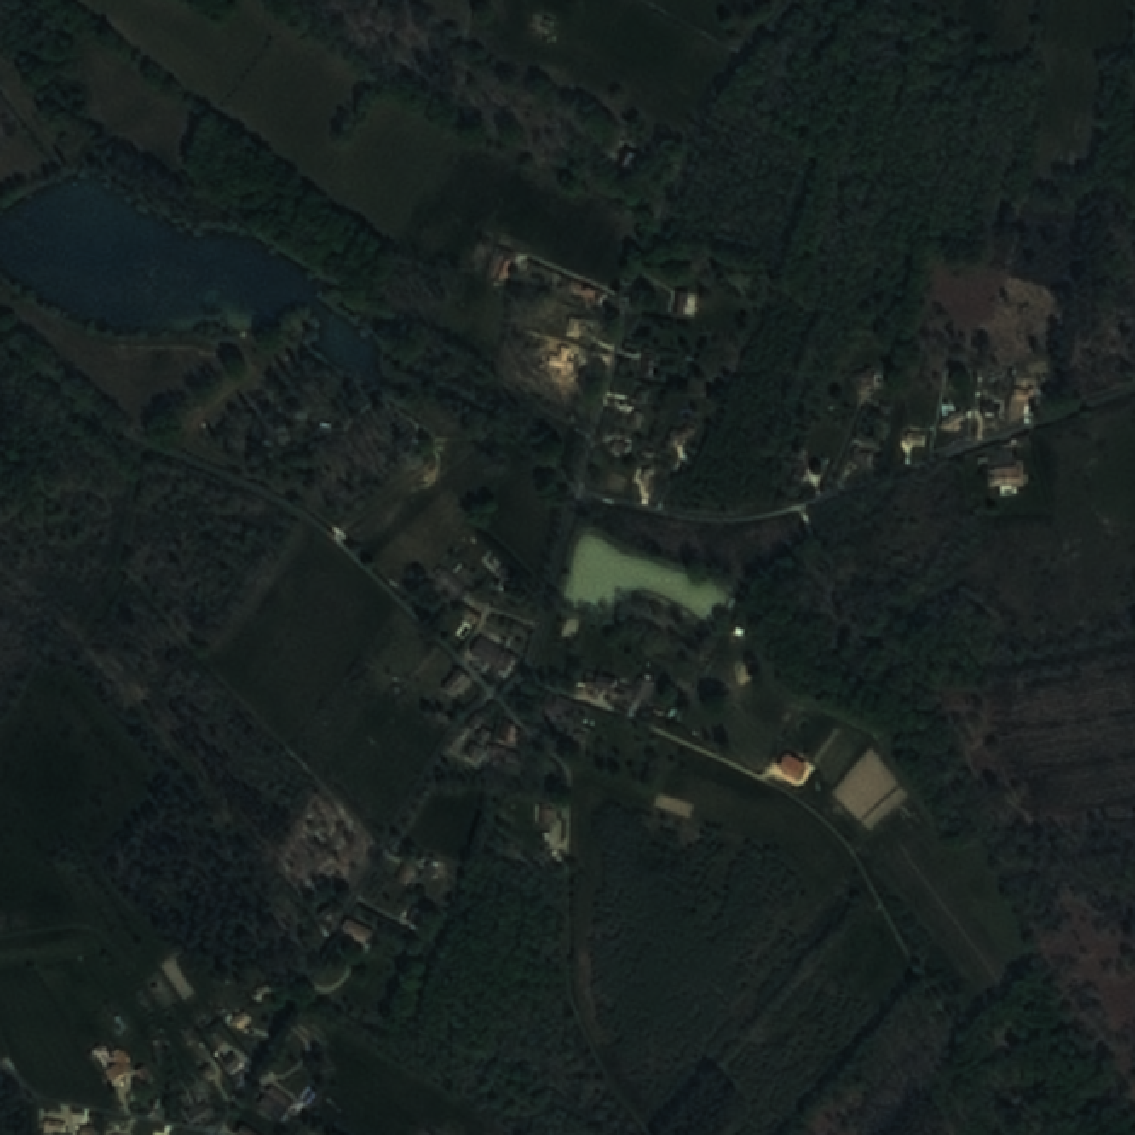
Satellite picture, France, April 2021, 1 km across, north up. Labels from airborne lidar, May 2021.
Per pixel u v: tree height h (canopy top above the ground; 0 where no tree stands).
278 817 13
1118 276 16
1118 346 7
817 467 12
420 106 19
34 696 0
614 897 6
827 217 22
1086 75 0
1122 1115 24
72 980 0
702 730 0
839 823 0
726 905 6
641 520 8
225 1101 0
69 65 18
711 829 8
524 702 13
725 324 0
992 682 16
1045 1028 20
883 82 19
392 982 0
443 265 13
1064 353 22
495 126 15
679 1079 5
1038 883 14
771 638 19
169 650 7
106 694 16
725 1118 21
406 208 0
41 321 0
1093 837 7
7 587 6
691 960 6
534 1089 14
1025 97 13
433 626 19
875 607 20
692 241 19
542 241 0
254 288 0
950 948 0
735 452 9
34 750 0
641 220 18
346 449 21
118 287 0
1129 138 20
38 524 12
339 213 17
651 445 9
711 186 16
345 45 22
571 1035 7
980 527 10
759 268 16
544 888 13
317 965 17
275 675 0
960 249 26
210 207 10
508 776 15
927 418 0
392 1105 0
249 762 8
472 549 0
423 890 5
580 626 0
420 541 0
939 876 0
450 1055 12
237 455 14
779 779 0
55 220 0
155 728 13
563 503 19
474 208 0
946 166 18
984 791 14
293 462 15
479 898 14
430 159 0
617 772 16
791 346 8
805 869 0
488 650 0
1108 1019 13
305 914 15
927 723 15
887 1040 17
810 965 12
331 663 0
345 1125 0
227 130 19
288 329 9
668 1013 6
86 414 7
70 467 13
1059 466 0
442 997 17
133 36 0
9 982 0
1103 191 17
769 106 16
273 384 13
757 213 15
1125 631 15
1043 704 0
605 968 6
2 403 18
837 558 19
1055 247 23
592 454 14
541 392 19
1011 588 0
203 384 11
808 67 16
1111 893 13
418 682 7
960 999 15
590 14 0
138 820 6
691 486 8
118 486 12
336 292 13
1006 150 17
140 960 0
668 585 0
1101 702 0
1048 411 16
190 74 0
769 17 12
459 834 0
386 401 13
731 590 20
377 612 0
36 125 0
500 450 22
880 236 17
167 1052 6
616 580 0
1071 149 0
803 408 14
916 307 20
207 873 9
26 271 0
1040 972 16
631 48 0
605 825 9
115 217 0
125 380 0
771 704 0
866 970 0
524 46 0
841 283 16
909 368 20
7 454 15
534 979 14
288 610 0
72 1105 0
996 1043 17
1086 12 0
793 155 13
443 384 14
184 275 0
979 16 0
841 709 19
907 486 12
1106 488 0
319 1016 12
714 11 0
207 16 17
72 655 8
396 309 17
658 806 0
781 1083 6
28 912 0
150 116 0
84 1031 0
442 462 0
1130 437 0
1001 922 0
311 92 0
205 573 6
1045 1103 18
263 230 13
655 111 0
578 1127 9
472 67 14
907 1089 16
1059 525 0
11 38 13
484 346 0
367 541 0
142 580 8
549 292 14
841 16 13
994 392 7
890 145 18
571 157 15
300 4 18
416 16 16
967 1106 21
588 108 22
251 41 0
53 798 0
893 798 0
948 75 10
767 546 8
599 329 18
